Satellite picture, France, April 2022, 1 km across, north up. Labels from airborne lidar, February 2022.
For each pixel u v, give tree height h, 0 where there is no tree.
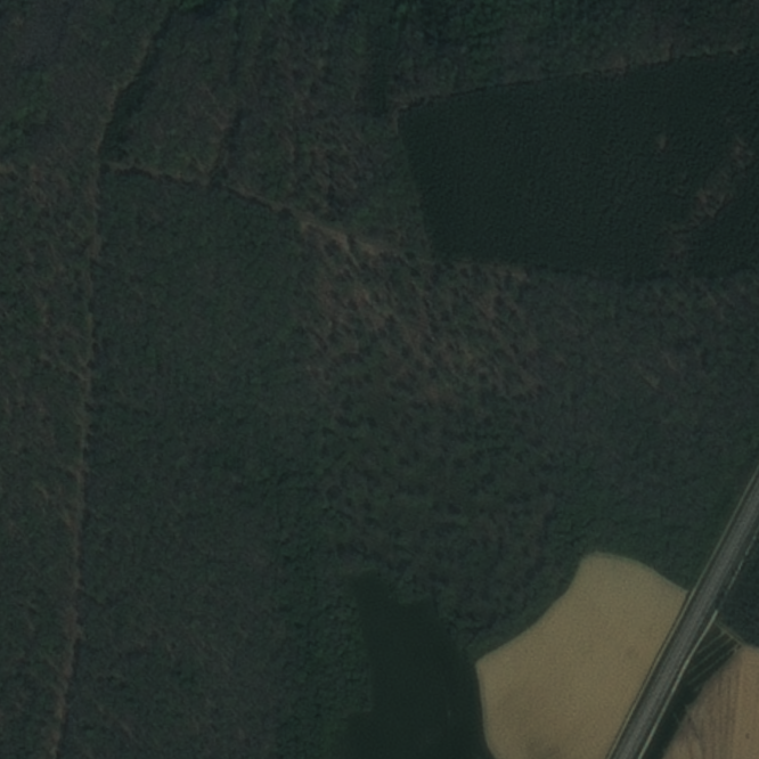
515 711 0
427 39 8
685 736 0
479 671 0
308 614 28
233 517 28
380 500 28
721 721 0
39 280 31
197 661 29
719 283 29
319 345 24
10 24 30
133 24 28
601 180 12
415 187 24
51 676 28
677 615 0
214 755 25
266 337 26
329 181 25
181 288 28
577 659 0
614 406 26
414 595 29
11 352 31
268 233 28
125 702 27
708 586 0
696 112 11
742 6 13
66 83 31
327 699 24
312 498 25
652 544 25
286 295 27
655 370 28
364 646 15
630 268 14
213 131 30
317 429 26
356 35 32
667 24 15
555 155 12
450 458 25
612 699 0
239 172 28
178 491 29
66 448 27
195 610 27
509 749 0
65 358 24
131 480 31
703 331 26
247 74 26
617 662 0
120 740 27
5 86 30
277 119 27
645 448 25
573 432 29
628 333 29
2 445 30
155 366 27
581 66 16
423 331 0
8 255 30
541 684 0
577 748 0
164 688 29
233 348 23
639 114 12
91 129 28
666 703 0
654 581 0
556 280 22
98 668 28
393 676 0
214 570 28
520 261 14
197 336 26
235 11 20
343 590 24
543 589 26
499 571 24
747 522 0
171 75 27
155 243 30
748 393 27
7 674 27
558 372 28
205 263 29
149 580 31
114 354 27
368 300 0
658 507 27
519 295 29
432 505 31
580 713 0
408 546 25
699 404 31
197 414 20
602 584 0
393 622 0
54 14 26
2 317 27
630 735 0
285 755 28
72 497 25
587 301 30
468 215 14
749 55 11
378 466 31
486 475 28
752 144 11
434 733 0
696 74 13
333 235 0
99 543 28
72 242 29
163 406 28
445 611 27
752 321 31
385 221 17
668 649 0
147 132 29
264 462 23
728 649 0
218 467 29
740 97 13
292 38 26
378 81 14
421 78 21
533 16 22
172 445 27
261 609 28
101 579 29
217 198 25
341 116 29
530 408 27
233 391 24
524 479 0
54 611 27
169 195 26
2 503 27
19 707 28
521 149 13
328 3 33
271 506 24
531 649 0
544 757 0
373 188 30
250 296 27
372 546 28
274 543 27
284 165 12
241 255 29
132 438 28
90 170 27
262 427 26
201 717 25
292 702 28
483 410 0
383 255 0
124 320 28
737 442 28
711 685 0
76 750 28
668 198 13
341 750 0
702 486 29
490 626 0
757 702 0
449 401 0
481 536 0
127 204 25
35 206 28
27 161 30
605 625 0
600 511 23
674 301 30
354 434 25
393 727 0
